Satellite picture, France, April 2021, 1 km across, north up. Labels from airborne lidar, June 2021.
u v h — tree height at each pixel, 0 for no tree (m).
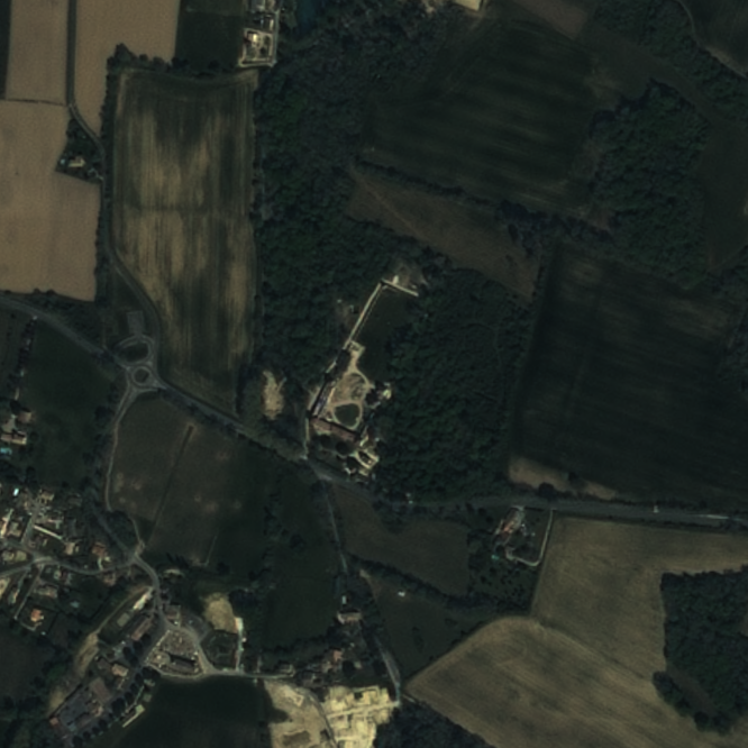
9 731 0
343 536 7
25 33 0
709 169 0
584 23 0
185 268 0
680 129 18
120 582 7
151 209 0
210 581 0
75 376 0
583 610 0
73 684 12
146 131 0
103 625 0
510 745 0
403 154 0
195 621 0
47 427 0
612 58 0
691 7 0
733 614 15
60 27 0
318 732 0
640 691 0
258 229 9
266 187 15
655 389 0
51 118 0
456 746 18
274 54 0
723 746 0
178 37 0
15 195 0
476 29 0
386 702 0
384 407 11
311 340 27
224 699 0
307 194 15
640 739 0
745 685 15
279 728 0
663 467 0
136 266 0
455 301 8
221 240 0
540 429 0
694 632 15
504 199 0
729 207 0
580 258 0
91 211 0
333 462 0
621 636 0
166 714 0
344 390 0
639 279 0
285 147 18
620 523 0
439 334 7
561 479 0
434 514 10
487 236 0
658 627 0
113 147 0
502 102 0
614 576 0
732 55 0
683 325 0
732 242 0
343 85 15
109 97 8
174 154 0
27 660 0
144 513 0
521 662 0
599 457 0
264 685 0
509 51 0
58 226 0
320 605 0
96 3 0
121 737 0
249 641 6
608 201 22
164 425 0
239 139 0
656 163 19
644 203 22
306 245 22
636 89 0
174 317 0
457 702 0
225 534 0
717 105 13
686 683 0
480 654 0
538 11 0
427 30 25
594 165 0
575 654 0
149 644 9
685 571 0
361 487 7
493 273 0
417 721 14
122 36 0
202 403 0
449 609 7
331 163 21
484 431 9
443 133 0
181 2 0
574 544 0
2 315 0
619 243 22
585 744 0
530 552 12
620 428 0
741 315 0
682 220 20
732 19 0
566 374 0
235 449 0
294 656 12
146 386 0
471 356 6
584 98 0
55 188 0
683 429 0
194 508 0
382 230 18
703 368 0
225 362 0
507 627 0
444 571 0
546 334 0
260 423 35
